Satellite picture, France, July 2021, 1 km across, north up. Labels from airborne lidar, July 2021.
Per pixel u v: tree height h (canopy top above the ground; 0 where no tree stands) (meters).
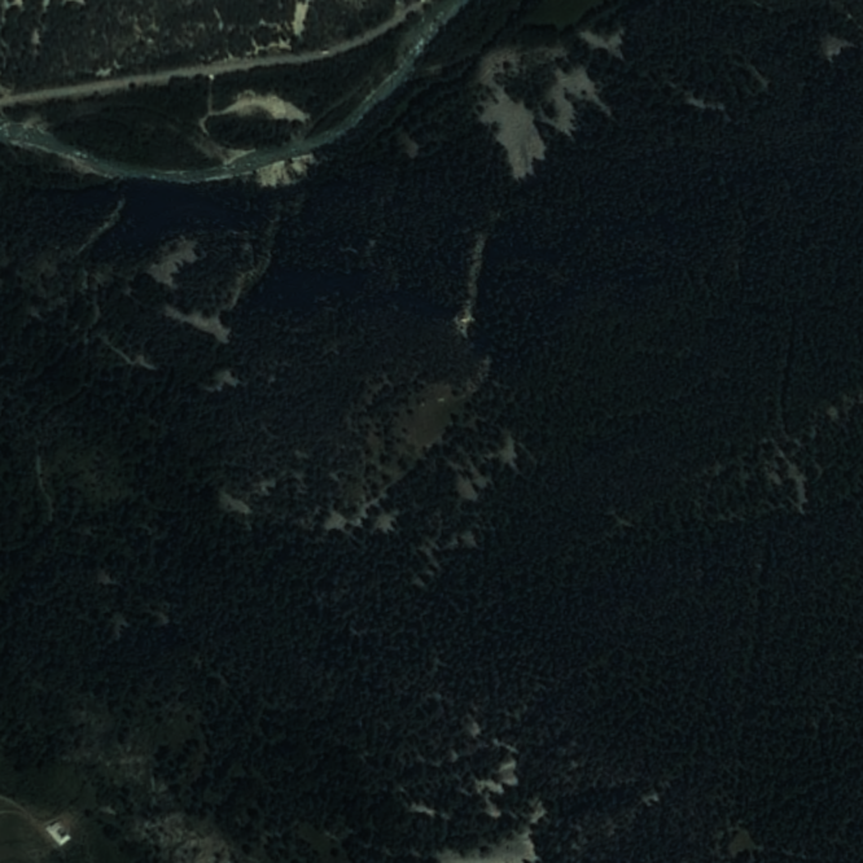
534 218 13
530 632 28
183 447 21
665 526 21
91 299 16
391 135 13
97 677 13
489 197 24
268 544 23
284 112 0
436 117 7
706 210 25
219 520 15
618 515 10
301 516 9
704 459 13
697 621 14
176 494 27
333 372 15
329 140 0
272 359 8
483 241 8
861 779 19
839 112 12
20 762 9
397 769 16
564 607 17
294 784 22
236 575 21
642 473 14
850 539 16
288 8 9
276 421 12
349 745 18
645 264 23
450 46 13
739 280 18
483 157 16
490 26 12
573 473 11
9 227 7
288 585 26
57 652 9
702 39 24
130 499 8
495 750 12
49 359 15
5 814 0
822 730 9
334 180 10
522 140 0
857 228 19
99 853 0
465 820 17
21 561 23
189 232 7
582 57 16
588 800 14
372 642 18
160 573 7
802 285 18
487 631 17
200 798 14
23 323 16
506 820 15
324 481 9
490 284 9
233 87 18
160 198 9
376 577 20
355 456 12
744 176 11
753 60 12
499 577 18
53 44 15
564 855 6
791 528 15
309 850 14
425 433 0
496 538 16
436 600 13
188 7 7
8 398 6
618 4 12
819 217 21
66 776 0
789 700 20
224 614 16
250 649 18
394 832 25
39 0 12
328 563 20
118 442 11
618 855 13
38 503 9
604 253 22
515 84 8
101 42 9
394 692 17
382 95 0
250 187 8
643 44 21
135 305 16
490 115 0
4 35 15
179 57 14
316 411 11
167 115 6
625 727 18
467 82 16
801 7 17
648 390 17
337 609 14
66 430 6
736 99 22
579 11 0
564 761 10
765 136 12
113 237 13
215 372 10
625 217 23
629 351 24
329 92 14
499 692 14
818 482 17
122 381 18
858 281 20
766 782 19
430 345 10
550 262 16
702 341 13
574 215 16
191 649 20
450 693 14
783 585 16
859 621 16
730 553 14
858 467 20
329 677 14
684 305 20
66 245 7
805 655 19
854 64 24
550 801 11
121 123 8
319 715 13
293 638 24
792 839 19
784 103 15
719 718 8
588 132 15
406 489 16
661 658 18
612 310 14
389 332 12
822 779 14
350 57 18
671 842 12
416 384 7
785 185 19
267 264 15
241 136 15
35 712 17
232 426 16
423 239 15
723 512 10
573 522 13
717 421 11
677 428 14
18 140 0
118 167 0
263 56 10
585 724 15
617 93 12
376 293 14
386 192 19
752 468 10
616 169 16
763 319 17
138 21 7
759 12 10
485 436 17
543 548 15
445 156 10
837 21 21
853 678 18
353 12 7
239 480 16
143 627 8
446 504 13
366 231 18
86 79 12
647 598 16
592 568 18
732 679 17
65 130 9
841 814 15
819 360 18
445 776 15
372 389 9
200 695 12
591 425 21
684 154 14
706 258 17
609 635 14
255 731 10
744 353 17
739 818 12
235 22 9
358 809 22
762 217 21
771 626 14
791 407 13
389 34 15
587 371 23
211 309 6
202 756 0
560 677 11
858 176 19
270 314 10
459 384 12
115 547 6
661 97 9
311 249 16
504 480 14
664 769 18
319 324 12
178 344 16
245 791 22
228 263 13
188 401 11
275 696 13
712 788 13
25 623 15
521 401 13
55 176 15
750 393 17
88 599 11
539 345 12
